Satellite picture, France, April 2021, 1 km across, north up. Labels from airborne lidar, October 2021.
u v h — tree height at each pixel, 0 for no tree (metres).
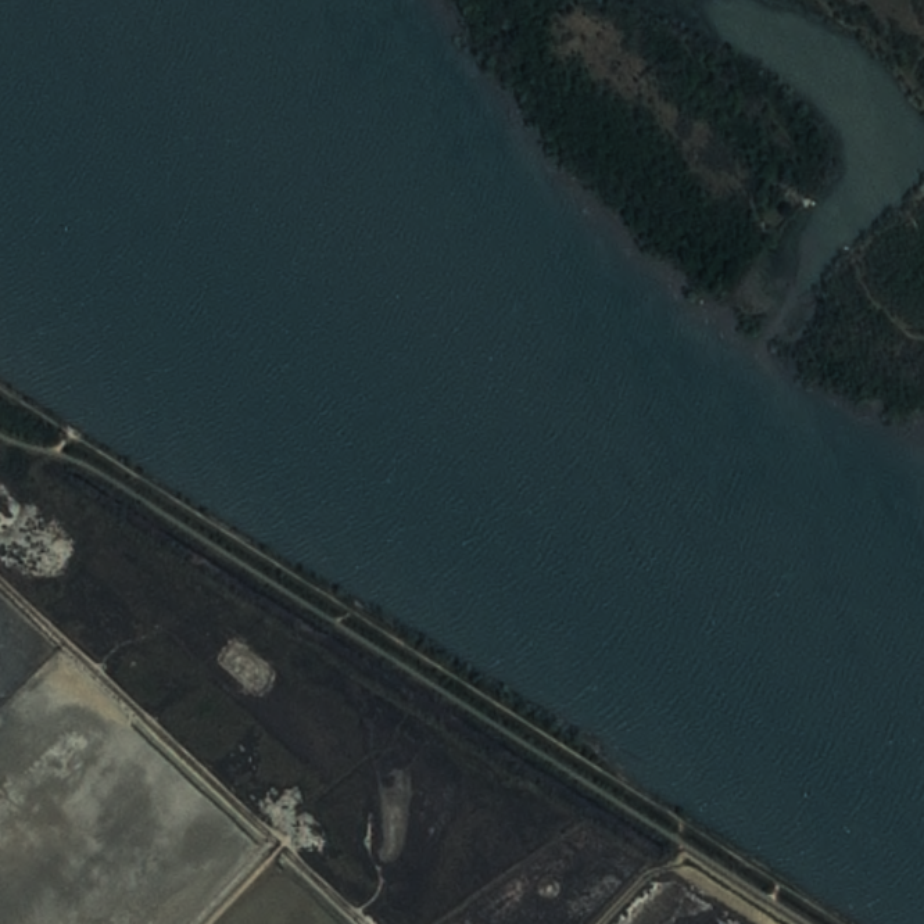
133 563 0
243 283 0
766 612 0
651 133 9
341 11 0
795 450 0
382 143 0
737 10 0
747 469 0
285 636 0
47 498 0
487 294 0
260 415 0
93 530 0
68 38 0
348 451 0
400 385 0
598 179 11
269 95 0
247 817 0
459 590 0
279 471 0
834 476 0
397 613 0
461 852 0
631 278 0
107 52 0
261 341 0
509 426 0
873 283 9
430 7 0
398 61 0
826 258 0
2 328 0
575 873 0
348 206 0
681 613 0
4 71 0
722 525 0
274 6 0
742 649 0
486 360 0
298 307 0
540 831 0
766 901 0
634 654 0
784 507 0
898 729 0
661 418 0
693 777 0
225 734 0
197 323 0
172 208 0
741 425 0
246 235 0
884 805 0
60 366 0
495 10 15
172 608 0
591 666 0
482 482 0
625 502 0
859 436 0
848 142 0
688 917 0
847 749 0
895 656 0
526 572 0
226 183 0
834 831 0
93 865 0
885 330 7
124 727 0
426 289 0
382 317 0
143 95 0
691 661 0
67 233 0
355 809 0
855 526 0
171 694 0
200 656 0
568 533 0
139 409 0
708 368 0
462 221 0
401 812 0
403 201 0
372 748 0
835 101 0
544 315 0
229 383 0
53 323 0
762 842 0
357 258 0
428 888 0
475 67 0
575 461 0
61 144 0
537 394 0
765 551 0
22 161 0
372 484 0
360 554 0
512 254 0
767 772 0
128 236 0
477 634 0
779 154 11
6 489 0
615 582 0
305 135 0
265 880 0
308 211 0
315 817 0
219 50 0
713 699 0
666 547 0
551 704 0
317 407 0
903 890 0
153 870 0
